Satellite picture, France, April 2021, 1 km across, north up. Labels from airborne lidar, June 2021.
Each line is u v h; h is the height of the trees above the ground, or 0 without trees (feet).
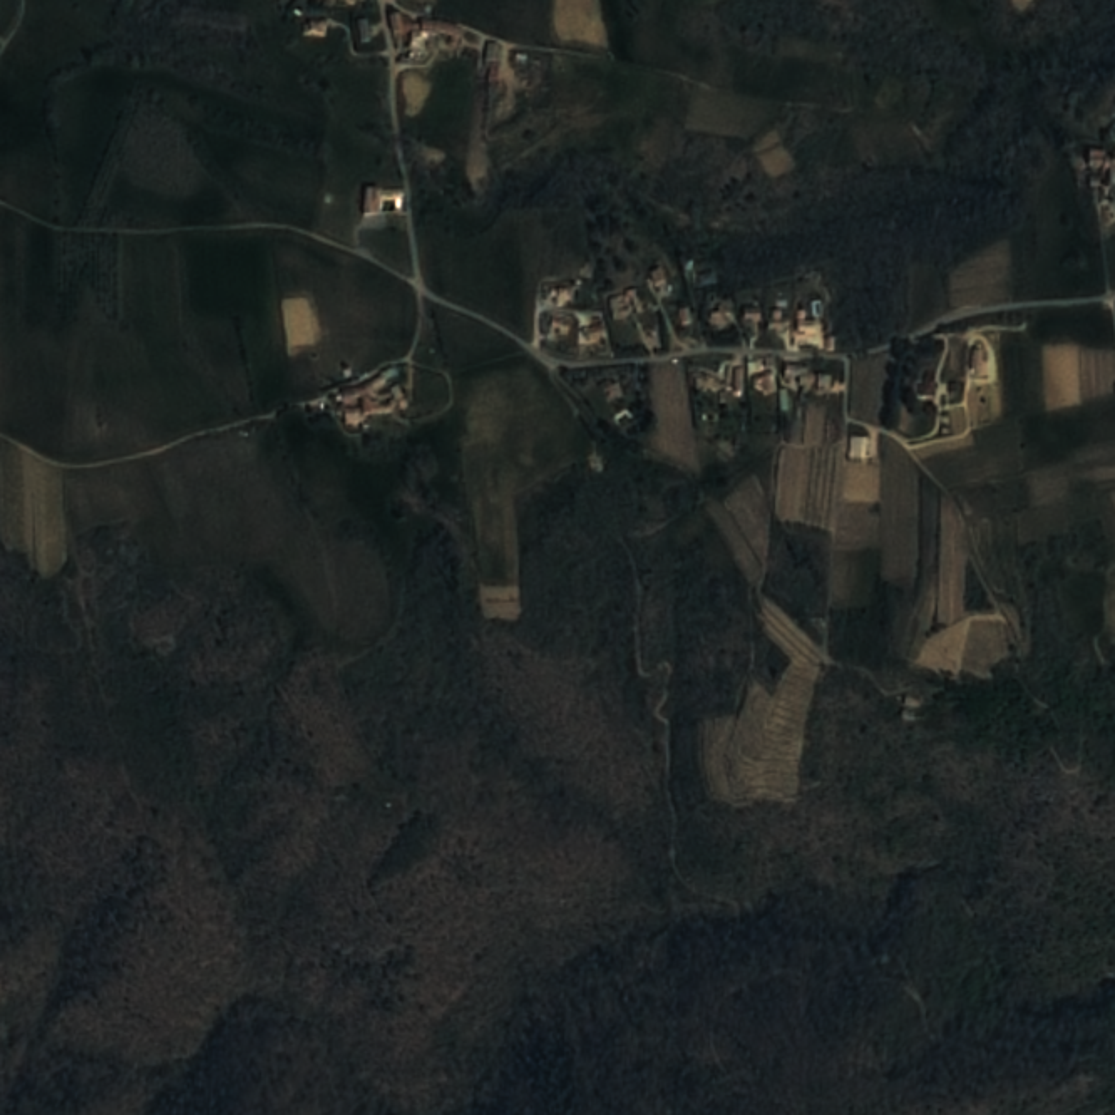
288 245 0
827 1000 51
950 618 0
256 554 0
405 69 0
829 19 38
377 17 0
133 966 34
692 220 43
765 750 0
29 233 0
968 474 0
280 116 0
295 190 0
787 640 0
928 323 0
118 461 0
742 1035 37
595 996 62
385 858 25
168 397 0
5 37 0
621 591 69
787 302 0
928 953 40
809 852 43
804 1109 31
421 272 0
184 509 0
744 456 39
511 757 79
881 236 37
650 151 0
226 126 20
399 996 25
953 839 28
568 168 54
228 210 0
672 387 0
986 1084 35
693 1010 54
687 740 38
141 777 32
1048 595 25
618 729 43
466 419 0
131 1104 22
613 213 27
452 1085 28
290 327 0
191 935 34
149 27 37
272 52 0
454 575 104
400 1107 47
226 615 24
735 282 32
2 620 44
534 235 0
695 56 0
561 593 39
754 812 29
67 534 0
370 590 0
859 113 0
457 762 42
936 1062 23
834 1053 44
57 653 18
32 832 36
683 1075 52
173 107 0
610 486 29
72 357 0
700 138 19
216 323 0
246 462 0
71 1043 34
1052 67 87
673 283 0
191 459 0
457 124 0
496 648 27
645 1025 72
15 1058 37
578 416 0
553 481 0
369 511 0
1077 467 0
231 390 0
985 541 0
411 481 53
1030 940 36
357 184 0
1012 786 25
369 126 26
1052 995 32
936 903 32
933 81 26
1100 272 0
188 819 45
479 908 27
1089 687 33
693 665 25
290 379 0
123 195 0
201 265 0
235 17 87
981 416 0
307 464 0
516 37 0
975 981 43
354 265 0
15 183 0
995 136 71
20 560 20
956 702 27
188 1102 30
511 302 0
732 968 52
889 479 0
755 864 28
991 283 0
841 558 0
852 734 22
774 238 69
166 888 30
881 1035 28
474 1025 31
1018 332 0
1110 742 40
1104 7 77
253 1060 34
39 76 0
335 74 0
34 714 36
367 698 38
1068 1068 23
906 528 0
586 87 0
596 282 28
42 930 28
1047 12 33
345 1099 41
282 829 22
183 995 22
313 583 0
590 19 0
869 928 61
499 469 0
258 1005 54
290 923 44
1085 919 31
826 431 0
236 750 23
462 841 31
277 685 26
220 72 41
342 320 0
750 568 0
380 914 22
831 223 64
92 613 21
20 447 0
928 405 23
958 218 44
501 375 0
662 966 23
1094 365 0
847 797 27
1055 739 25
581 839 29
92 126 0
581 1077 42
